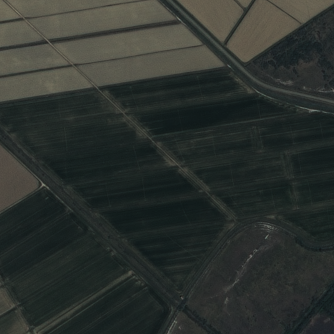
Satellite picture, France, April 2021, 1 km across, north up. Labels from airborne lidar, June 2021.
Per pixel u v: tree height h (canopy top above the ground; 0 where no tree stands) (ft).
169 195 0
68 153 0
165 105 0
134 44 0
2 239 0
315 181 0
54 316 0
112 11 0
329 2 0
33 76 0
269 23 0
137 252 0
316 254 0
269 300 0
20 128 0
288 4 0
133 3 0
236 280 0
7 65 0
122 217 0
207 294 0
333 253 0
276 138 0
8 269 0
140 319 0
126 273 0
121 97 0
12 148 0
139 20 0
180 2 0
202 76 0
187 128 0
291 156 0
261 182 0
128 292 0
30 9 0
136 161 0
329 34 0
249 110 0
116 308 0
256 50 0
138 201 0
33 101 0
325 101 0
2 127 0
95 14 0
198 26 0
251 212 0
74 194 0
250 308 0
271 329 0
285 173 0
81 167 0
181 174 0
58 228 0
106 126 0
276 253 0
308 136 0
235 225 0
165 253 0
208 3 0
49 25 0
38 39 0
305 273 0
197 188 0
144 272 0
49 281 0
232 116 0
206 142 0
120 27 0
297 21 0
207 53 0
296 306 0
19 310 0
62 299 0
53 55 0
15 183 0
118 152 0
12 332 0
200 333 0
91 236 0
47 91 0
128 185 0
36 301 0
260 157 0
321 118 0
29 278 0
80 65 0
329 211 0
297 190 0
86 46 0
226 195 0
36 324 0
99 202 0
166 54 0
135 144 0
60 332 0
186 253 0
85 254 0
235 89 0
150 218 0
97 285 0
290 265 0
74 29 0
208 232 0
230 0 0
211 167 0
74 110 0
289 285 0
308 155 0
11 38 0
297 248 0
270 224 0
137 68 0
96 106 0
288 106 0
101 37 0
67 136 0
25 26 0
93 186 0
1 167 0
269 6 0
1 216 0
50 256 0
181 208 0
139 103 0
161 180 0
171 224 0
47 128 0
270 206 0
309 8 0
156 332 0
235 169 0
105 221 0
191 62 0
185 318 0
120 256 0
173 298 0
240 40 0
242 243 0
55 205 0
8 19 0
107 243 0
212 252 0
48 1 0
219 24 0
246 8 0
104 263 0
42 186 0
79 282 0
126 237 0
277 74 0
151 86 0
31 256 0
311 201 0
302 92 0
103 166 0
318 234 0
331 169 0
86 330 0
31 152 0
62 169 0
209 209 0
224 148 0
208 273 0
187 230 0
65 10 0
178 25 0
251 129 0
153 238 0
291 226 0
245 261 0
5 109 0
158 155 0
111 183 0
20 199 0
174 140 0
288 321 0
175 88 0
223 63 0
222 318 0
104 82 0
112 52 0
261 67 0
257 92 0
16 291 0
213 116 0
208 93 0
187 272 0
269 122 0
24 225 0
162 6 0
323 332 0
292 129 0
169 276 0
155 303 0
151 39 0
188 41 0
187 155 0
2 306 0
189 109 0
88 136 0
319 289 0
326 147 0
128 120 0
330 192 0
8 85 0
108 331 0
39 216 0
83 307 0
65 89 0
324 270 0
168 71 0
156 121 0
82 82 0
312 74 0
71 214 0
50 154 0
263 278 0
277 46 18
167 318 0
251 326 0
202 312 0
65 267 0
